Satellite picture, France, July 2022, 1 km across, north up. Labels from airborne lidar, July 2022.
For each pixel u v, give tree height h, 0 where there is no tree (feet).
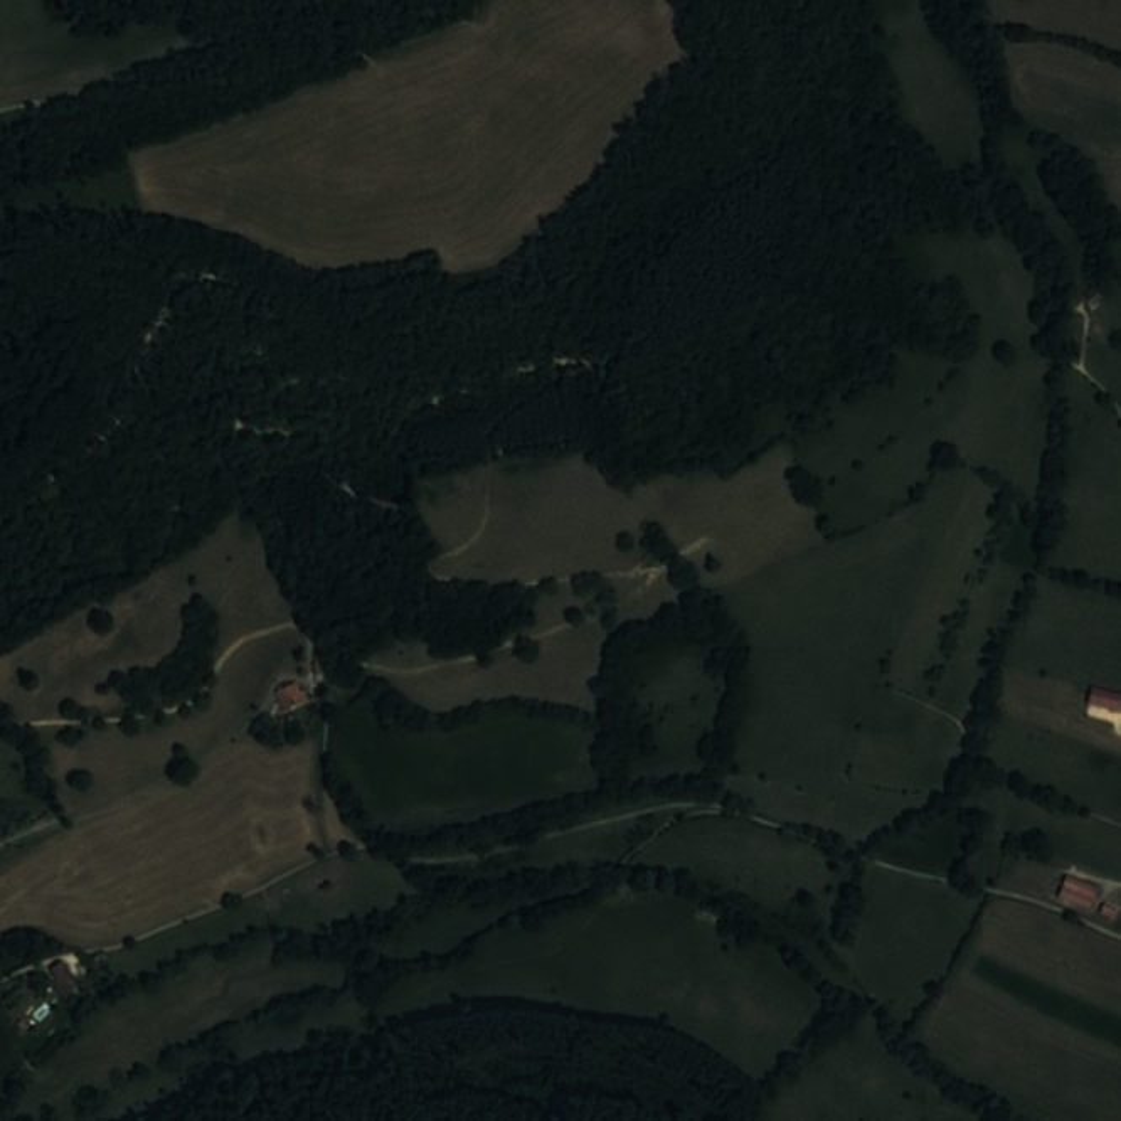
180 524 70
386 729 43
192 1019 0
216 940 0
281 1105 74
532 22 0
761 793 0
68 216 94
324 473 63
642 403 75
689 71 58
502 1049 78
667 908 0
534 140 0
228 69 60
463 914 0
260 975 0
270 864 0
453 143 0
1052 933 0
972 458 0
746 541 0
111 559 80
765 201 72
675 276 86
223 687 0
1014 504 30
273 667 0
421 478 33
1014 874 0
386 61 0
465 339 75
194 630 61
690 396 85
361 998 65
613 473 68
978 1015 0
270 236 0
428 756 0
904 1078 0
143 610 0
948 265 0
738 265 78
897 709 0
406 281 72
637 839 60
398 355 67
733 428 67
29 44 0
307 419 60
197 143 0
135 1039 0
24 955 58
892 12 0
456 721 56
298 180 0
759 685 0
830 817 0
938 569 0
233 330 55
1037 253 70
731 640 57
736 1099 91
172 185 0
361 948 59
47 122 55
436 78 0
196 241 80
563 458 28
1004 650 59
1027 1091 0
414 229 0
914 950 0
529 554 0
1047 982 0
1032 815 0
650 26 0
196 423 74
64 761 0
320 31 71
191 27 75
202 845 0
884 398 0
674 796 67
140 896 0
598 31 0
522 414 68
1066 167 31
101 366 95
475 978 0
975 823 72
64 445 89
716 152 81
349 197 0
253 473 85
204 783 0
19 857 0
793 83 82
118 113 83
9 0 0
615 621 34
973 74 22
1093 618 0
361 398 61
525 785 0
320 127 0
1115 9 0
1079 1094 0
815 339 82
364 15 71
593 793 28
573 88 0
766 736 0
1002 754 0
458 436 75
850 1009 71
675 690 0
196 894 0
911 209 52
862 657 0
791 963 54
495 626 68
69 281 92
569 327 63
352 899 0
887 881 0
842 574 0
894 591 0
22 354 83
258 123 0
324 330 76
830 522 48
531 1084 37
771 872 0
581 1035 89
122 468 51
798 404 41
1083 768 0
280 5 70
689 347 76
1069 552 0
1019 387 0
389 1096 78
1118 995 0
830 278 75
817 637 0
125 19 103
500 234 0
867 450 0
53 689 0
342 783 24
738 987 0
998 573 0
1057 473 71
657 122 68
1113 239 35
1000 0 0
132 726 61
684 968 0
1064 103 0
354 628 67
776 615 0
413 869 24
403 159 0
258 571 0
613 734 62
